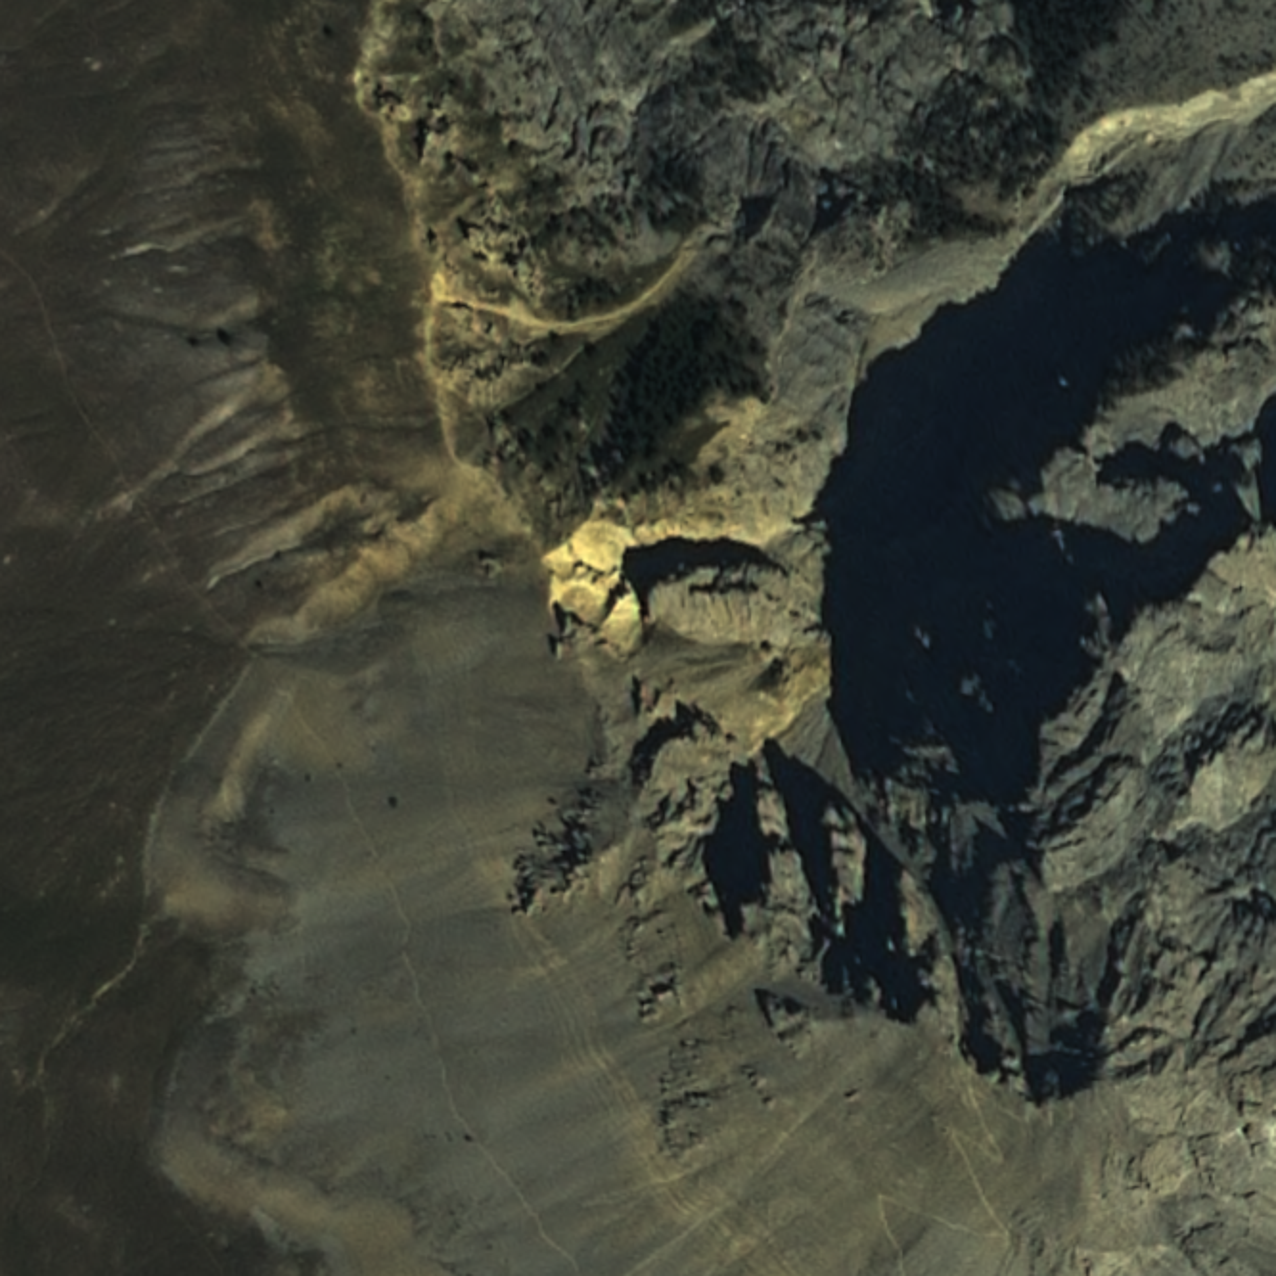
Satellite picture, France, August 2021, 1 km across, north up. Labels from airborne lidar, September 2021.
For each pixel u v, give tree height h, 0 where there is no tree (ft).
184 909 0
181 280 0
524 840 0
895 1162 0
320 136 0
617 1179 0
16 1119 0
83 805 0
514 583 0
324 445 0
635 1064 0
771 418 0
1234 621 0
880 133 0
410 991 0
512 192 0
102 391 0
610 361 0
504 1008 0
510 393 0
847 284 0
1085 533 0
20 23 0
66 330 0
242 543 0
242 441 0
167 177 0
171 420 0
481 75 0
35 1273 0
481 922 0
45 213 0
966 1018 0
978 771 0
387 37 0
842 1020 0
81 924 0
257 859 0
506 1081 0
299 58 0
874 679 0
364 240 0
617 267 0
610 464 31
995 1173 0
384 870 0
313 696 0
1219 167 0
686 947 0
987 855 0
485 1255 0
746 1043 0
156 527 0
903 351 0
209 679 0
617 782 0
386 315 0
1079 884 0
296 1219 0
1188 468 0
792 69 0
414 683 0
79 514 0
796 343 0
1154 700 0
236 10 0
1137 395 17
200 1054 0
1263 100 0
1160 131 0
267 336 0
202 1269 0
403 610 0
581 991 0
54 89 0
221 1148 0
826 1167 0
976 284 0
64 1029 0
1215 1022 0
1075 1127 0
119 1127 0
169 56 0
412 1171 0
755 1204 0
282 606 0
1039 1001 0
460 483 0
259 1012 0
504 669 0
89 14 0
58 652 0
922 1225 0
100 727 0
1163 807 0
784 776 0
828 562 0
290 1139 0
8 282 0
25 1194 0
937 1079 0
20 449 0
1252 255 35
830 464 0
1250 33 0
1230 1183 0
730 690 0
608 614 0
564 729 0
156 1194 0
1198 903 0
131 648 0
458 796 0
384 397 0
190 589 0
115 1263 0
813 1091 0
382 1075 0
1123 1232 0
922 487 0
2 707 0
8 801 0
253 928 0
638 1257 0
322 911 0
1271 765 0
